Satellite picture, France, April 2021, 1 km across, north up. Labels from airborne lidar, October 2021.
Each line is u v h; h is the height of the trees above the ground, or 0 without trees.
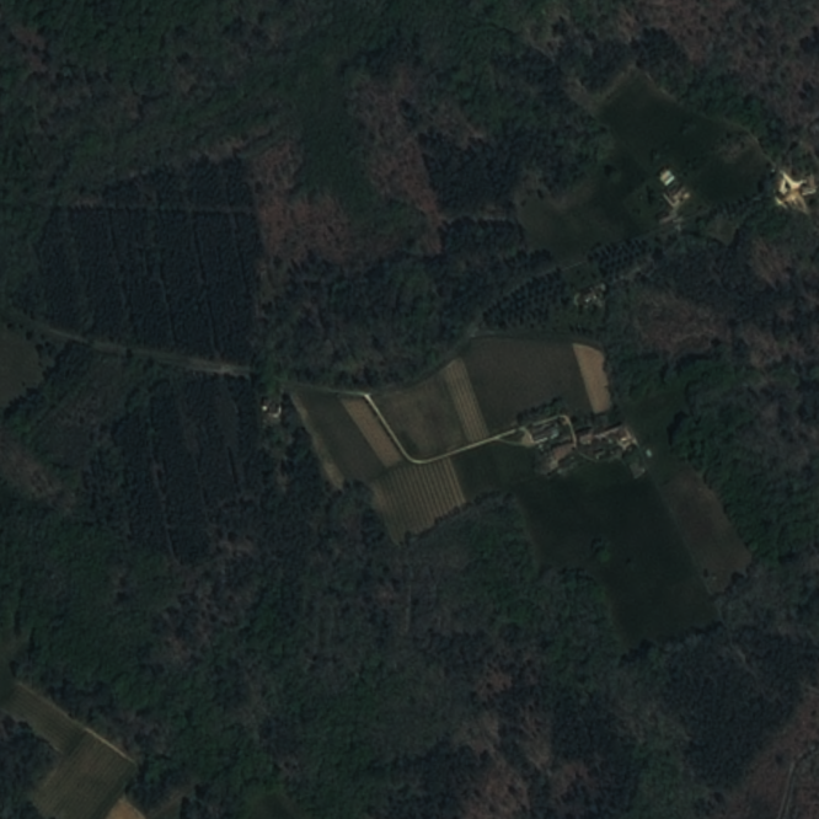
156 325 15
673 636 0
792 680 22
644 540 0
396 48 26
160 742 20
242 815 16
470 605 17
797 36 14
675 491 0
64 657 24
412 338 18
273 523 28
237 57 18
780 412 9
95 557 19
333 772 22
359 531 9
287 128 14
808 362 14
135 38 24
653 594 0
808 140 16
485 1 18
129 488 15
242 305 16
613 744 17
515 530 22
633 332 17
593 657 19
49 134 25
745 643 20
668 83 14
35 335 9
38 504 8
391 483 0
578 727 18
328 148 15
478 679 15
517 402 0
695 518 0
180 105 21
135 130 22
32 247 15
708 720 24
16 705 0
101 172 17
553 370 0
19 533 14
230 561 15
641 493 0
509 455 0
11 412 8
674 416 0
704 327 10
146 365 6
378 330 18
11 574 17
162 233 17
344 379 11
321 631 13
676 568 0
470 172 23
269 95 19
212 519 15
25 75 16
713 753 23
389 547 15
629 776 12
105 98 17
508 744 22
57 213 10
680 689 27
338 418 0
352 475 0
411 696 21
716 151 0
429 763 9
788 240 20
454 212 24
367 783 23
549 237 0
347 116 11
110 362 10
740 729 22
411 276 18
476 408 0
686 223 0
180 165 17
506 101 25
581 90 16
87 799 0
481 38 18
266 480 18
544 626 19
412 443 0
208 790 12
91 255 17
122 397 10
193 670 17
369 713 21
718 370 21
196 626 17
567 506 0
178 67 15
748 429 15
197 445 17
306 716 25
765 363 20
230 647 17
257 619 20
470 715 17
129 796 9
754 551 16
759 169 0
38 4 7
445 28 23
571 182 21
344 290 18
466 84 16
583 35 16
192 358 14
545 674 12
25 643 14
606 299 10
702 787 16
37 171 10
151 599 16
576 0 20
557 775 17
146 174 12
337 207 8
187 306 16
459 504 0
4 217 22
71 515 14
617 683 25
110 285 16
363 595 11
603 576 0
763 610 15
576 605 20
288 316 19
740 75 7
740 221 16
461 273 7
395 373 20
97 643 20
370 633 17
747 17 7
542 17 19
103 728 21
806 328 18
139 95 17
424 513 0
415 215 15
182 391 14
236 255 16
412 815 18
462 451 0
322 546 11
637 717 19
